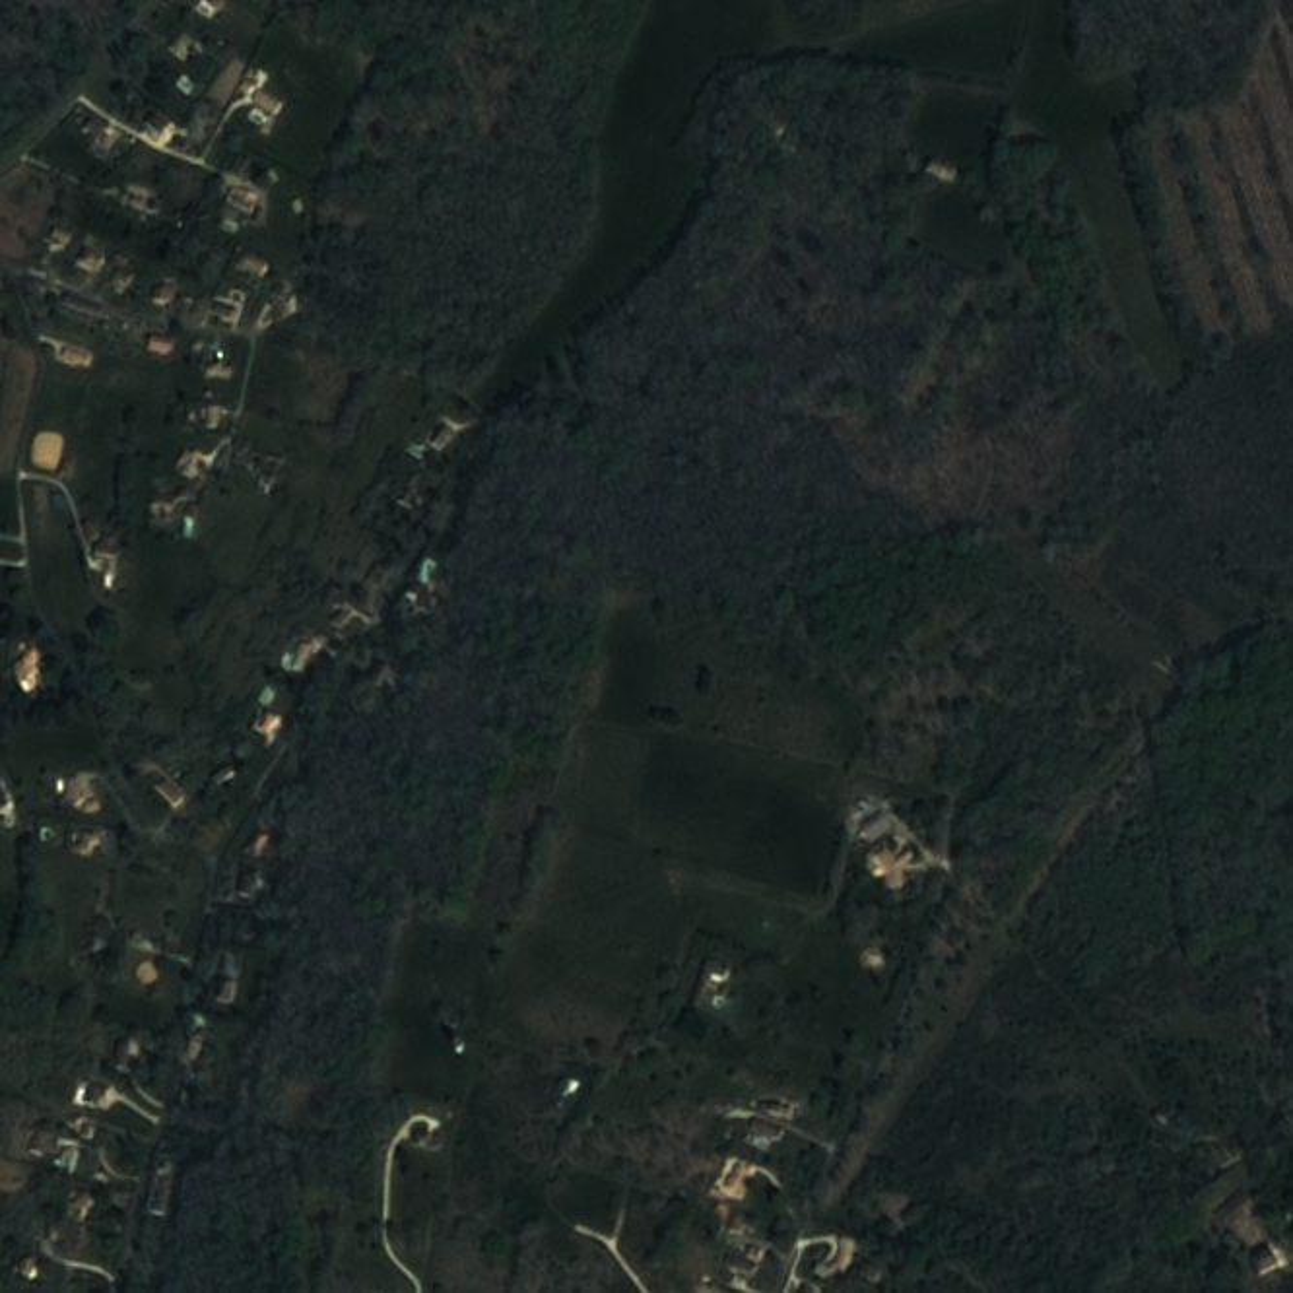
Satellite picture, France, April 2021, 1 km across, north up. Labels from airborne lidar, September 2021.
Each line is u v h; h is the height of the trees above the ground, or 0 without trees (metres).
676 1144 11
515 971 0
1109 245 0
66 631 0
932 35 0
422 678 20
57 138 0
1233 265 0
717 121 17
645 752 0
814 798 0
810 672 16
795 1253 0
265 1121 21
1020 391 8
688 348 17
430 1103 0
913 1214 10
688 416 19
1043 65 0
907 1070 6
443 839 17
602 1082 10
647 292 18
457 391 9
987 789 11
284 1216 22
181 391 0
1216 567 13
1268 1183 11
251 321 0
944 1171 0
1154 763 20
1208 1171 8
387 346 21
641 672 0
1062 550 15
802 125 23
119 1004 0
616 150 0
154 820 0
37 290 13
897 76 19
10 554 0
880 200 11
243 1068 17
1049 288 19
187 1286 20
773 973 12
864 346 10
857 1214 8
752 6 0
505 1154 8
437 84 24
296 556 9
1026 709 9
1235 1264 13
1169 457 13
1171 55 22
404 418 0
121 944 10
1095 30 18
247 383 0
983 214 11
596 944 0
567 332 0
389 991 14
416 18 21
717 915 0
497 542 23
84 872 0
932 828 11
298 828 22
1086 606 0
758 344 13
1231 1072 10
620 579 16
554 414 15
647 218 0
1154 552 13
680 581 20
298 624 9
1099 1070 0
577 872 0
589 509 19
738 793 0
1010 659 9
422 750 19
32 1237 15
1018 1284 10
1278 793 28
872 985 0
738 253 23
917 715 14
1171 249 16
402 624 0
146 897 0
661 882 0
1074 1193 10
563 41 21
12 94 25
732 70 10
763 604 19
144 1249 8
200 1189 20
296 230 0
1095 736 9
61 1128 9
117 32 14
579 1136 11
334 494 0
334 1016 18
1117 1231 13
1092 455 13
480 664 18
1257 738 25
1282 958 19
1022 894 12
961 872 18
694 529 22
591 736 0
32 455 0
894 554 22
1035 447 11
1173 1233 26
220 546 0
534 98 24
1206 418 15
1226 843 24
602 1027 0
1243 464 16
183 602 0
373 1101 18
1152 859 8
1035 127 0
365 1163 18
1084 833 11
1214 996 7
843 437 12
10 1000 23
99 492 0
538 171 23
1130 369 22
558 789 0
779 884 0
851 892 8
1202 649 0
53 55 22
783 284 9
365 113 17
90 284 0
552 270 21
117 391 0
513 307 21
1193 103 23
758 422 19
